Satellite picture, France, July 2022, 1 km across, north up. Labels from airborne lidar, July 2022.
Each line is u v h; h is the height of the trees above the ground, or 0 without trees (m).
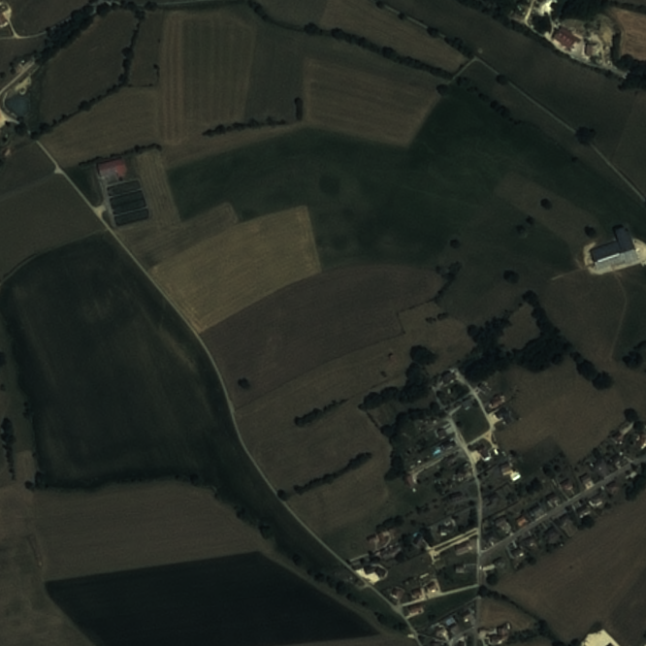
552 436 0
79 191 0
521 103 0
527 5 10
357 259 0
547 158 0
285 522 0
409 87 0
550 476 13
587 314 0
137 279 0
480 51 0
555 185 0
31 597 0
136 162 0
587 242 0
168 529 0
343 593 17
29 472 0
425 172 0
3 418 0
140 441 0
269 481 0
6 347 0
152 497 0
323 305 0
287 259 0
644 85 16
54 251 0
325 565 0
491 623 0
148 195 0
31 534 0
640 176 0
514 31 12
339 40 18
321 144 0
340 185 0
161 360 0
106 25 0
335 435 0
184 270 0
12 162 0
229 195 0
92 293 0
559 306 0
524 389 0
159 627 0
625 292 0
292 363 0
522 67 0
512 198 0
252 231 0
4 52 0
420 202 0
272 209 0
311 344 0
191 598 0
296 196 0
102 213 0
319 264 0
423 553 6
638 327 0
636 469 16
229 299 0
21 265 0
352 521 0
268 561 0
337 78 0
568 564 0
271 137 0
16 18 0
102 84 0
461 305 0
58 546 0
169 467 0
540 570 0
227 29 0
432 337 0
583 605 0
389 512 0
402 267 0
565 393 0
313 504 0
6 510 0
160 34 0
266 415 0
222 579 0
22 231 0
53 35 13
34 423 0
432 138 0
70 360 0
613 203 0
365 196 0
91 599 0
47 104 0
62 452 0
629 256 0
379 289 0
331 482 10
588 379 16
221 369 0
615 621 0
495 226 0
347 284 0
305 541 0
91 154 0
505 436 0
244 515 14
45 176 0
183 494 0
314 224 0
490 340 20
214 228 0
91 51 0
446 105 0
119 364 0
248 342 0
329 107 0
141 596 0
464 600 0
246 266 0
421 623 0
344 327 0
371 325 0
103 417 0
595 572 0
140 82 0
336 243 0
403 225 0
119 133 0
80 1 0
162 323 0
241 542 0
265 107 0
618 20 0
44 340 0
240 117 0
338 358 0
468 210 0
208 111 0
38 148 0
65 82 0
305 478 0
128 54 18
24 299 0
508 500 7
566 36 0
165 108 0
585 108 0
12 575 0
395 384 0
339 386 0
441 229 0
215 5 0
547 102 0
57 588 0
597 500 0
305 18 0
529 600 0
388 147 0
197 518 0
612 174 0
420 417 16
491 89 0
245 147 0
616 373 0
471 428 0
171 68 0
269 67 0
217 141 0
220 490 0
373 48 13
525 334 0
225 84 0
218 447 0
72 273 0
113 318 0
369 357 0
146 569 0
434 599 0
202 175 0
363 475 0
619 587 0
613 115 0
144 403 0
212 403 0
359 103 0
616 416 0
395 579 0
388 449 0
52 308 0
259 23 0
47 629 0
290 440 0
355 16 0
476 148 0
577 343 0
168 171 0
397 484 0
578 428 0
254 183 0
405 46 0
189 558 0
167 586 0
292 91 0
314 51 0
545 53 0
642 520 0
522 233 21
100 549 0
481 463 6
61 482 0
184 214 0
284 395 0
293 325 0
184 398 0
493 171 0
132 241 0
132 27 0
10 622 0
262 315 0
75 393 0
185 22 0
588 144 21
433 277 0
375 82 0
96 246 0
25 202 0
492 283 0
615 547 0
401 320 0
